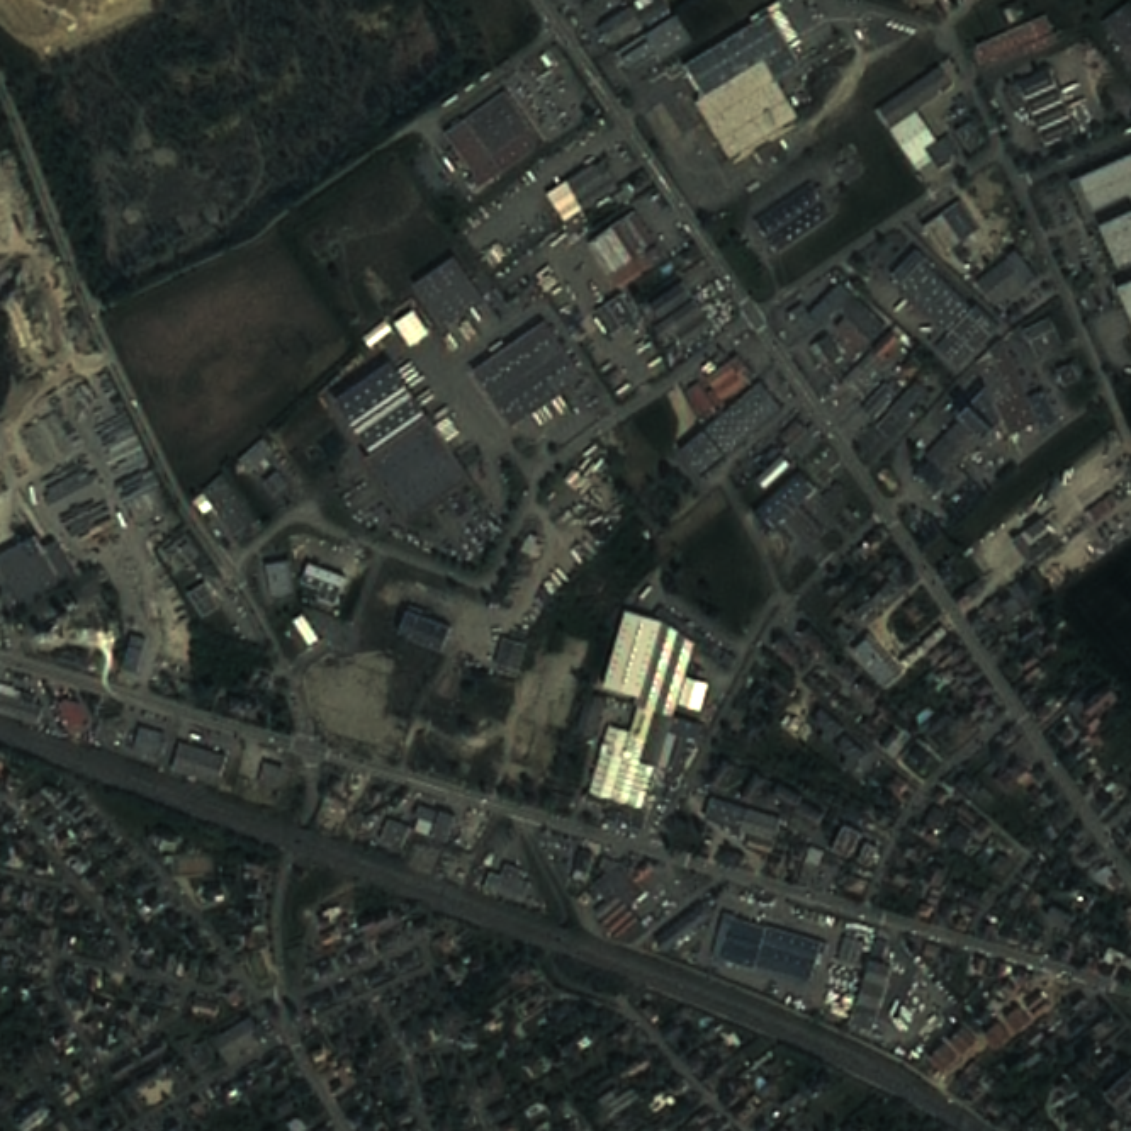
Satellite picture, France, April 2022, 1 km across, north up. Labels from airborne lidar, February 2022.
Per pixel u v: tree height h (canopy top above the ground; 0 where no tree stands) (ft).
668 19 0
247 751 0
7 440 0
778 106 0
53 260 0
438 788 0
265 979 0
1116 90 0
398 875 0
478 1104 0
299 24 0
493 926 0
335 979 0
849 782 0
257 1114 19
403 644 27
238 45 0
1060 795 0
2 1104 0
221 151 0
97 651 0
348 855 0
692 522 0
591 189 0
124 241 0
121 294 59
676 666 0
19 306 0
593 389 0
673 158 0
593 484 0
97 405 0
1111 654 0
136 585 0
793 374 0
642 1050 24
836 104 0
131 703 0
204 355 0
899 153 0
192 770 0
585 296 0
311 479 0
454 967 28
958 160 0
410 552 0
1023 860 0
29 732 0
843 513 0
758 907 0
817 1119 0
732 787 0
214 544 0
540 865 0
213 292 0
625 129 0
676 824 33
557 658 0
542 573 0
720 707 0
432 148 0
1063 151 50
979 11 0
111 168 0
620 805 0
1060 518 0
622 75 0
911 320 0
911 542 0
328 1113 0
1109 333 0
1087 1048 38
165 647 0
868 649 0
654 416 0
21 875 0
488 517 0
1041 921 0
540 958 37
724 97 0
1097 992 0
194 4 0
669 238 0
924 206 0
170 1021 0
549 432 0
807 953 0
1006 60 0
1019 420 0
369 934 0
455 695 0
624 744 0
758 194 0
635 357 0
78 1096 0
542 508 0
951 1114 0
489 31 0
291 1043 0
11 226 0
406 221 0
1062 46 0
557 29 0
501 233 0
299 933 0
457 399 0
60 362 0
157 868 0
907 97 0
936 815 0
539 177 0
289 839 0
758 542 0
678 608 0
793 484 0
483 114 0
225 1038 0
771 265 0
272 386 0
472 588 0
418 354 0
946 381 0
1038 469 0
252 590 0
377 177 0
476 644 0
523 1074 0
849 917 0
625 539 0
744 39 0
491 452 0
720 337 0
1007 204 0
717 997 0
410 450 0
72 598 0
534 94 0
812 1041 0
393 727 0
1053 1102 0
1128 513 0
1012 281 0
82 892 0
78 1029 0
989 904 0
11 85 28
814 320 0
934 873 0
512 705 0
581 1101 26
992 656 0
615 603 0
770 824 0
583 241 0
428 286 0
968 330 0
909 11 0
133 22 0
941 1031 0
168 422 0
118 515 0
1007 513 0
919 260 0
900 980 0
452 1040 0
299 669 0
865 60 0
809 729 0
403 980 0
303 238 0
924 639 0
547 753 0
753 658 0
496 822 0
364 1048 29
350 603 0
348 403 0
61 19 0
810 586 0
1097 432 0
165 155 0
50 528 0
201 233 0
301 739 0
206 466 0
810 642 0
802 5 0
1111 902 19
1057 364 0
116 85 0
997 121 26
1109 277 0
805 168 0
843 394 0
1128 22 0
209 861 0
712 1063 36
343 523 0
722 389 0
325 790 25
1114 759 0
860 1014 0
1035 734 0
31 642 0
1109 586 0
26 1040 26
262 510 0
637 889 0
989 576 0
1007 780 0
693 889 0
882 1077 0
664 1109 0
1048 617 28
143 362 0
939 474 0
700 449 0
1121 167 0
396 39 0
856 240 0
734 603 0
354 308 0
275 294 0
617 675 0
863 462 0
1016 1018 0
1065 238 0
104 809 0
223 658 19
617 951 0
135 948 0
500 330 0
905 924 0
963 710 23
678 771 0
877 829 0
